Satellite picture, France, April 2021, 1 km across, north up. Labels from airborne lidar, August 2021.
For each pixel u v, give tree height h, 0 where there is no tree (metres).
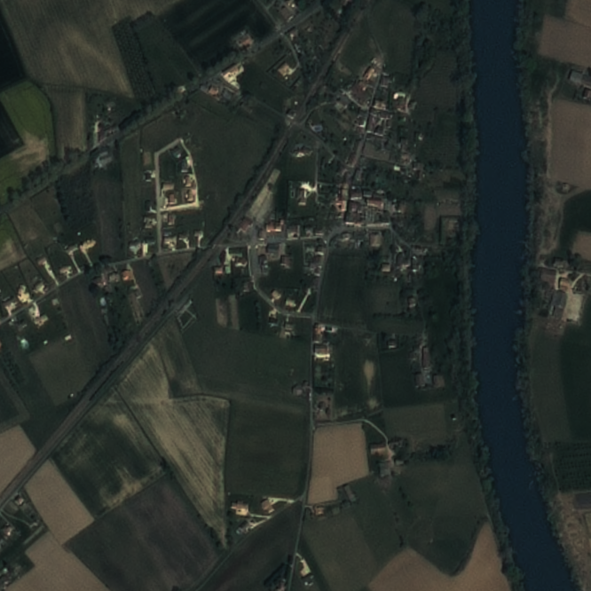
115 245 0
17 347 0
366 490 0
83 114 0
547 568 0
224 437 0
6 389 0
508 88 0
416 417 0
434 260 7
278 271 0
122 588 0
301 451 0
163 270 0
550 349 0
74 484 0
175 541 0
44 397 0
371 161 0
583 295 0
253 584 0
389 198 10
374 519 0
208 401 0
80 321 0
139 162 0
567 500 0
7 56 0
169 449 0
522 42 23
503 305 0
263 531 0
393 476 7
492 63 0
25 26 0
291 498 0
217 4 0
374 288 0
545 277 0
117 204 0
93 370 0
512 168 0
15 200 21
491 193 0
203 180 0
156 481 0
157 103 17
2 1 0
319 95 9
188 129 0
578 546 0
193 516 0
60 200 14
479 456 7
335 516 0
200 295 0
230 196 0
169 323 0
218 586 0
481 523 7
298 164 0
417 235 10
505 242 0
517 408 0
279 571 8
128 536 0
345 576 0
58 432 0
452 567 0
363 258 0
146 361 0
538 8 0
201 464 0
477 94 0
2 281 0
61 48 0
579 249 0
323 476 0
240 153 0
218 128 0
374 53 0
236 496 0
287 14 0
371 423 0
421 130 14
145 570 0
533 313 24
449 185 0
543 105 0
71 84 0
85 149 0
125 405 0
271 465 0
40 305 0
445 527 0
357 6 14
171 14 0
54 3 0
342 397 0
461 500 0
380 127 5
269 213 6
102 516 0
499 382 0
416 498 0
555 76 0
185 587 0
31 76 0
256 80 0
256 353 0
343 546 0
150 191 0
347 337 0
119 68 0
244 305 0
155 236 0
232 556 0
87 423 0
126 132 18
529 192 8
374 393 0
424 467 0
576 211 0
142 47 6
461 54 14
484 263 0
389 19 0
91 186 8
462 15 36
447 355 9
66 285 0
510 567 23
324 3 10
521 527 0
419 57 14
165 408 0
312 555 0
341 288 0
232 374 0
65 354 0
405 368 0
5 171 0
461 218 7
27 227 0
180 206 0
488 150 0
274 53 6
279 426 0
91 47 0
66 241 0
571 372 0
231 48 0
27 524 0
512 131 0
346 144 6
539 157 0
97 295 18
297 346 0
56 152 0
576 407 0
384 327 0
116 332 10
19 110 0
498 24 0
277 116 0
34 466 0
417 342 8
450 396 0
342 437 0
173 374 0
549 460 0
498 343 0
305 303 0
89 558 0
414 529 0
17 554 0
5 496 0
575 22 0
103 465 0
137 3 0
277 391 0
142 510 0
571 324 0
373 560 0
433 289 0
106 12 0
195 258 9
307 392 11
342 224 0
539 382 0
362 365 0
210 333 0
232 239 11
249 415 0
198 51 0
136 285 0
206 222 0
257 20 0
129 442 0
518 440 0
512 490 0
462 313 27
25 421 0
